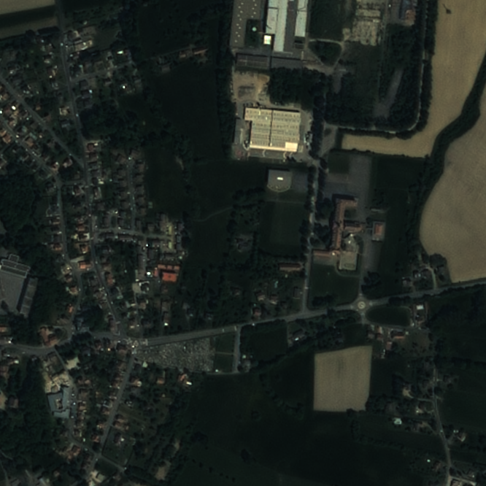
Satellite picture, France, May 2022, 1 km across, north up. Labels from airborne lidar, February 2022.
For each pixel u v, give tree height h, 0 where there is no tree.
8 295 0
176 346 0
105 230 0
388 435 0
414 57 14
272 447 0
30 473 0
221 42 15
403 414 7
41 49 0
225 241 0
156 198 0
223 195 0
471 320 23
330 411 0
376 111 0
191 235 0
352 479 0
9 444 28
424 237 0
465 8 0
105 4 0
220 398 0
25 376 0
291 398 0
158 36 0
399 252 0
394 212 0
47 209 0
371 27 0
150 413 15
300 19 0
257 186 0
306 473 0
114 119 23
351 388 0
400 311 0
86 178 0
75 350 14
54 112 0
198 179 0
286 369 0
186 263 0
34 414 29
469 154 0
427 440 0
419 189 14
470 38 0
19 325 20
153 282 0
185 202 0
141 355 0
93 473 0
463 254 0
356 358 0
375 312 0
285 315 0
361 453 0
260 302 0
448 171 0
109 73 0
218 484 0
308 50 0
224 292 7
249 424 0
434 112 0
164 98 0
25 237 30
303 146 0
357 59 0
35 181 16
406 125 29
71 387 0
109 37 0
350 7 0
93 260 0
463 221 0
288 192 0
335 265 0
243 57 0
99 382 0
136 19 9
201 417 0
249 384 0
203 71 0
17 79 0
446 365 16
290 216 0
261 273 9
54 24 0
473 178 0
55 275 18
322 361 0
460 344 0
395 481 0
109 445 0
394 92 0
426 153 0
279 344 0
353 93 8
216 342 0
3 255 0
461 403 0
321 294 0
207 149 0
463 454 0
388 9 0
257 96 0
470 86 0
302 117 0
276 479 0
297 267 0
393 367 0
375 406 8
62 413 0
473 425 0
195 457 0
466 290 8
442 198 0
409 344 0
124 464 0
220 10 16
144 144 21
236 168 0
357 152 6
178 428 7
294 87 21
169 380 8
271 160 0
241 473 0
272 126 0
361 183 0
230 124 8
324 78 18
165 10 0
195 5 0
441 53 0
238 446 0
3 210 18
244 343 12
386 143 0
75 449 0
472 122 0
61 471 11
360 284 0
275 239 0
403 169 0
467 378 0
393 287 0
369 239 0
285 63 0
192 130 0
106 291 0
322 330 10
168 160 0
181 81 0
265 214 0
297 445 0
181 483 0
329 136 0
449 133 6
